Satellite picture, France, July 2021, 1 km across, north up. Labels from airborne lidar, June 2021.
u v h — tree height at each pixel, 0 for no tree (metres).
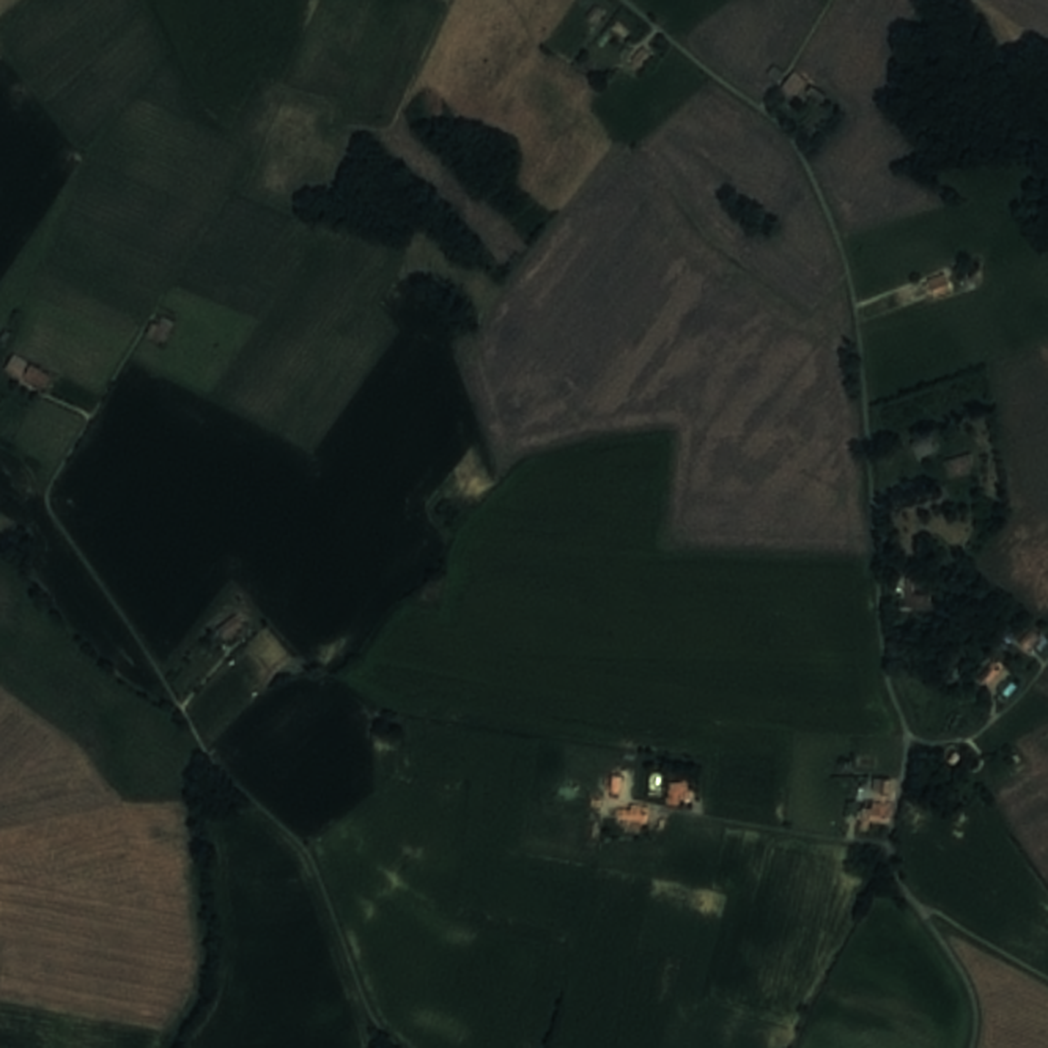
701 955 0
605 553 0
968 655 10
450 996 0
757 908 0
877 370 0
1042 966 0
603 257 0
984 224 0
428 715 0
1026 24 0
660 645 0
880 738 0
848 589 0
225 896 0
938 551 9
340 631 0
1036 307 0
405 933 0
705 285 0
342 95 0
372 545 0
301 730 0
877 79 0
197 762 14
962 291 0
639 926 0
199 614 0
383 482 0
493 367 0
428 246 0
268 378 0
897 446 14
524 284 0
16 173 0
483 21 0
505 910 0
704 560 0
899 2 0
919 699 0
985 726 0
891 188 0
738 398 0
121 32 0
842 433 0
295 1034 0
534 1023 0
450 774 0
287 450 0
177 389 0
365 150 19
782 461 0
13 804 0
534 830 0
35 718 0
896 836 8
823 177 0
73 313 0
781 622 0
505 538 0
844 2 0
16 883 0
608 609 0
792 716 0
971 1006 0
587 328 0
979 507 9
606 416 0
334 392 0
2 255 0
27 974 0
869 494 0
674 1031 0
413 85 0
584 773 0
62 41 0
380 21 0
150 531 0
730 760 0
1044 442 0
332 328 0
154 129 0
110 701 0
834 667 0
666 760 13
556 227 0
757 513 0
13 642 0
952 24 20
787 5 0
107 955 0
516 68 0
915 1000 0
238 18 0
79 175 0
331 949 0
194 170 0
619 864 0
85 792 0
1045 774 0
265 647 0
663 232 0
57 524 0
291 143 0
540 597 0
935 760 16
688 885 0
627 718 0
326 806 0
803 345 0
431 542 0
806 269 0
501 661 0
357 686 0
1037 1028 0
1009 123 25
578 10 0
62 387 0
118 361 0
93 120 0
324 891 0
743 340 0
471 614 0
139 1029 0
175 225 0
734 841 0
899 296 0
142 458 0
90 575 0
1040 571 0
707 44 0
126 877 0
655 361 0
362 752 0
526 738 0
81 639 10
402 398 0
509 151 15
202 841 7
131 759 0
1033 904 0
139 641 0
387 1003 0
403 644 0
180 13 0
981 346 0
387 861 0
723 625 0
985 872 0
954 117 26
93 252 0
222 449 0
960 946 0
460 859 0
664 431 0
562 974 0
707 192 0
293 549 0
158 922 0
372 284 0
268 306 0
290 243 0
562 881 0
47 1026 0
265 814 0
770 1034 0
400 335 0
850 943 0
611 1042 0
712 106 0
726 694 0
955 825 0
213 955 8
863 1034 0
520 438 0
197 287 0
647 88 0
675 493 0
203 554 0
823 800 0
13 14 0
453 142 20
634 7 0
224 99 0
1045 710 0
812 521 0
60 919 0
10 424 0
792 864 0
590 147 0
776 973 0
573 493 0
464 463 0
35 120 0
